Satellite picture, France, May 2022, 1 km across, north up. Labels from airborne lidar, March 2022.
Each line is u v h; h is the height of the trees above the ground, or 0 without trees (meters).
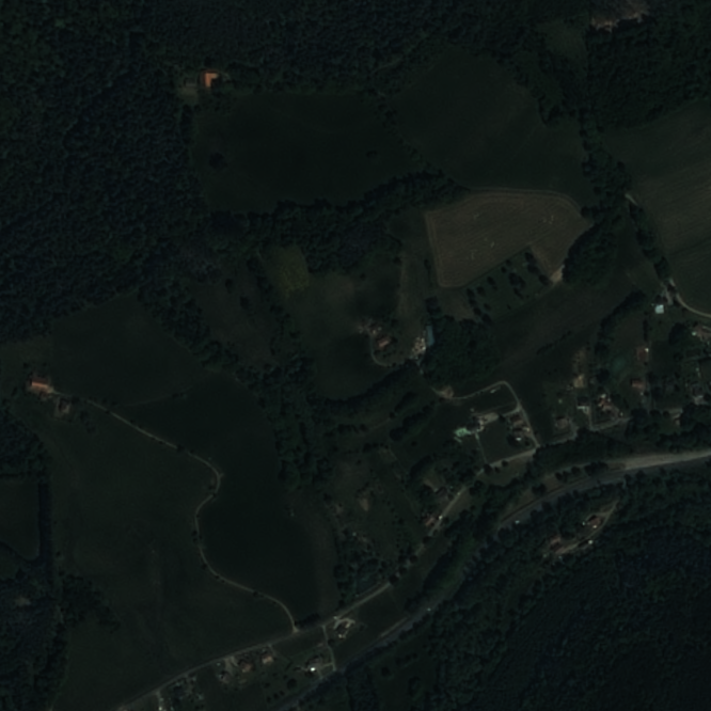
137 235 34
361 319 0
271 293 16
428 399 0
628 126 6
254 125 0
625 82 12
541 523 23
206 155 0
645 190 0
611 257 18
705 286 0
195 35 20
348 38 30
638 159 0
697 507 24
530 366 0
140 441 0
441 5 27
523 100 0
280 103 0
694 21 28
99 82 36
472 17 25
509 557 25
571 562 13
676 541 17
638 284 0
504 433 0
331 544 0
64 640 13
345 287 0
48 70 39
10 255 7
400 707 0
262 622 0
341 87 22
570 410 0
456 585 0
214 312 0
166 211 25
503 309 0
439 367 18
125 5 34
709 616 17
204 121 0
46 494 28
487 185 0
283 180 0
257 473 0
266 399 15
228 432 0
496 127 0
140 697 0
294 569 0
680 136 0
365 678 8
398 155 0
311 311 0
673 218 0
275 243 21
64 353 0
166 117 26
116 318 0
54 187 23
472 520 20
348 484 0
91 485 0
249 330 0
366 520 0
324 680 0
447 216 0
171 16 20
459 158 0
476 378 13
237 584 0
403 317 0
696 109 0
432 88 0
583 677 14
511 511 0
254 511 0
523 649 10
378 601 0
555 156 0
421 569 0
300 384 18
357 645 0
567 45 0
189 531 0
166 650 0
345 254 20
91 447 0
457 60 0
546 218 0
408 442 0
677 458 0
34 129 26
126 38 21
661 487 19
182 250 25
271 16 23
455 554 17
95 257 21
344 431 15
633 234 0
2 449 17
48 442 0
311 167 0
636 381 0
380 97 19
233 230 47
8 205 29
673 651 9
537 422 0
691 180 0
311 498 0
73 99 27
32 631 24
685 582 17
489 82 0
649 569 19
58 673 21
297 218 12
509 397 0
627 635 15
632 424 7
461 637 25
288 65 31
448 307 0
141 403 0
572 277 22
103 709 0
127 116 28
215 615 0
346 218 13
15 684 15
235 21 23
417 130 0
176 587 0
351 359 0
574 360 0
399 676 0
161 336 0
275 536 0
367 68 33
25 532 0
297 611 0
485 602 21
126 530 0
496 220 0
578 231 0
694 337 0
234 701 0
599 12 28
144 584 0
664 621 16
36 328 18
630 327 0
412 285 0
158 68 7
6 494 0
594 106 13
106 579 0
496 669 9
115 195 41
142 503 0
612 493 24
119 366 0
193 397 0
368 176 0
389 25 26
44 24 31
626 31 22
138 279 22
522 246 0
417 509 0
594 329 0
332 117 0
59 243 28
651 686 13
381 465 0
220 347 15
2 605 19
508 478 0
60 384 0
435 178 20
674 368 0
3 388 0
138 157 29
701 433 25
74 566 0
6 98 26
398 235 0
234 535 0
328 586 0
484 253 0
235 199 0
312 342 0
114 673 0
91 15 29
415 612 23
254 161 0
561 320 0
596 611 12
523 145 0
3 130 22
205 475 0
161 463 0
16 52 29
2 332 26
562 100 0
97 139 30
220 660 0
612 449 26
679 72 13
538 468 18
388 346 6
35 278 23
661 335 0
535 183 0
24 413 0
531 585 0
